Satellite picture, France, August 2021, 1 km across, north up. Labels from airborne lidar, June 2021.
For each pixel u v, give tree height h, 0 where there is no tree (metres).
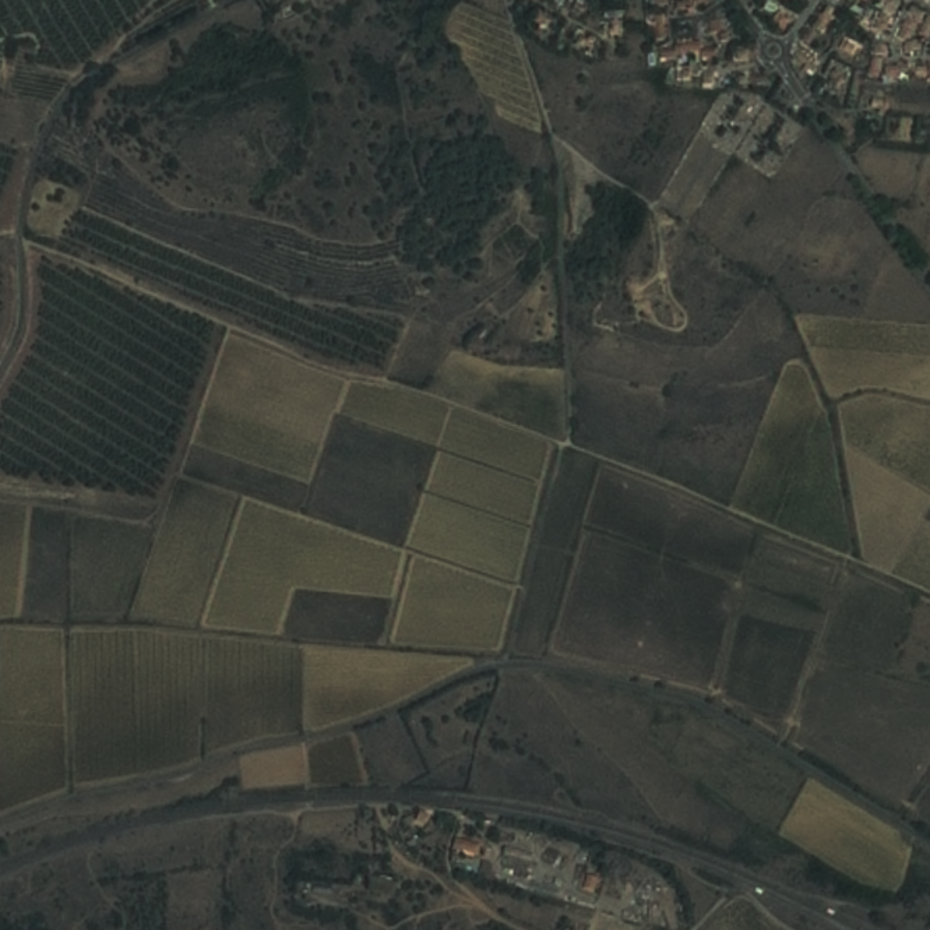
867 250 0
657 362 0
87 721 0
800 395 0
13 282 0
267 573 0
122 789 0
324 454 0
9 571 0
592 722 0
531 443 0
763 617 0
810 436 0
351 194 0
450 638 0
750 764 0
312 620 0
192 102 10
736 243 0
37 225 0
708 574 0
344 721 0
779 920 0
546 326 0
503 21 0
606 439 0
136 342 7
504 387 0
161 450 10
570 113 0
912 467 0
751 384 0
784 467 0
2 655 0
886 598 0
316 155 0
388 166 7
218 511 0
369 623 0
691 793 0
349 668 0
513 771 0
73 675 0
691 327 0
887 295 0
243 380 0
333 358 8
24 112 0
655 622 0
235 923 0
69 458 8
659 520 0
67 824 0
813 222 0
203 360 11
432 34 17
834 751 0
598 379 0
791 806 0
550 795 0
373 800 0
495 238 0
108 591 0
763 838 0
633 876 0
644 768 0
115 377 6
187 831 0
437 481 0
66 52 6
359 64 8
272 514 0
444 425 0
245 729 0
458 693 0
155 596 0
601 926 0
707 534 0
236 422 0
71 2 6
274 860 0
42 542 0
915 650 0
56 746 0
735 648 0
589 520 0
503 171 13
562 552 0
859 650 0
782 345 0
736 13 16
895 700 0
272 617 0
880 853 0
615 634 0
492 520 0
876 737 0
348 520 0
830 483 0
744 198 0
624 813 0
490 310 0
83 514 0
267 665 0
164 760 0
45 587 0
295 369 0
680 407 0
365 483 0
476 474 0
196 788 0
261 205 6
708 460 0
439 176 12
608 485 0
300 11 13
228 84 7
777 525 0
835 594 0
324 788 0
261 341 0
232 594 0
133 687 0
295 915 0
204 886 0
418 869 0
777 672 0
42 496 0
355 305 13
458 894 0
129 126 11
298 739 0
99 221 7
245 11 0
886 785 0
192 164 0
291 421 0
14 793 0
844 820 0
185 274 6
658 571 0
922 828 12
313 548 0
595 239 6
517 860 0
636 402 0
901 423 0
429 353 0
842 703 0
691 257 0
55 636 0
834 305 0
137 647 0
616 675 0
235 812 0
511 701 0
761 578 0
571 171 0
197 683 0
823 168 0
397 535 0
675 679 0
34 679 0
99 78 6
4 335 0
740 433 0
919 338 0
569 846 0
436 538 0
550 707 0
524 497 0
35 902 0
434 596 0
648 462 0
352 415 0
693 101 0
